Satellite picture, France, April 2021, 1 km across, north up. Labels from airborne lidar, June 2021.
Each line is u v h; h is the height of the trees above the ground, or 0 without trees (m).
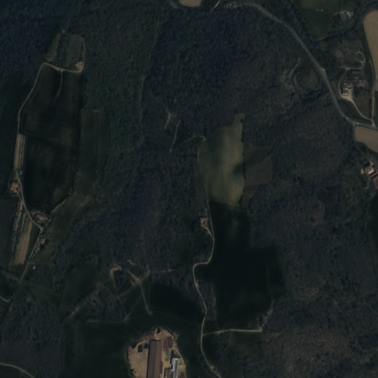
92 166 0
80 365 0
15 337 15
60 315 0
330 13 0
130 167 14
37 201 0
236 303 0
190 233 8
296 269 16
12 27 19
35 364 8
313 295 9
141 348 0
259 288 0
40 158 0
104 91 14
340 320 13
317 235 24
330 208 18
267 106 9
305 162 10
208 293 13
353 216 14
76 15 8
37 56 11
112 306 20
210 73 13
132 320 0
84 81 7
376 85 0
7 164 0
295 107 10
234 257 0
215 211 0
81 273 0
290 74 9
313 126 8
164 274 10
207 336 0
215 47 22
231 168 0
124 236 19
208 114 15
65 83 0
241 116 0
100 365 0
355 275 14
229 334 13
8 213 0
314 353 9
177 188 12
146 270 14
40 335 20
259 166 0
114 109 8
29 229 0
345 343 11
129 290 0
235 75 10
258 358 13
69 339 0
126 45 12
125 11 18
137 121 22
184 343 0
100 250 16
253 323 0
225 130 0
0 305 0
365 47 7
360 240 10
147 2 8
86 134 0
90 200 0
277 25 14
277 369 19
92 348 0
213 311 11
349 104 0
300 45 10
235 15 23
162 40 16
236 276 0
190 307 0
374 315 15
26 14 19
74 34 9
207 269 0
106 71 11
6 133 0
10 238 0
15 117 7
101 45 12
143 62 17
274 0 22
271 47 7
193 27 20
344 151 13
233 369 0
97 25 17
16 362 7
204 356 15
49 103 0
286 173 8
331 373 17
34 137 0
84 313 0
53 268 15
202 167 0
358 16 15
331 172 13
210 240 0
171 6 17
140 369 0
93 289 12
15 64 19
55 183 0
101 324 0
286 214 8
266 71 9
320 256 13
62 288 14
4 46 17
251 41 15
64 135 0
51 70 0
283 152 11
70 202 0
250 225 14
